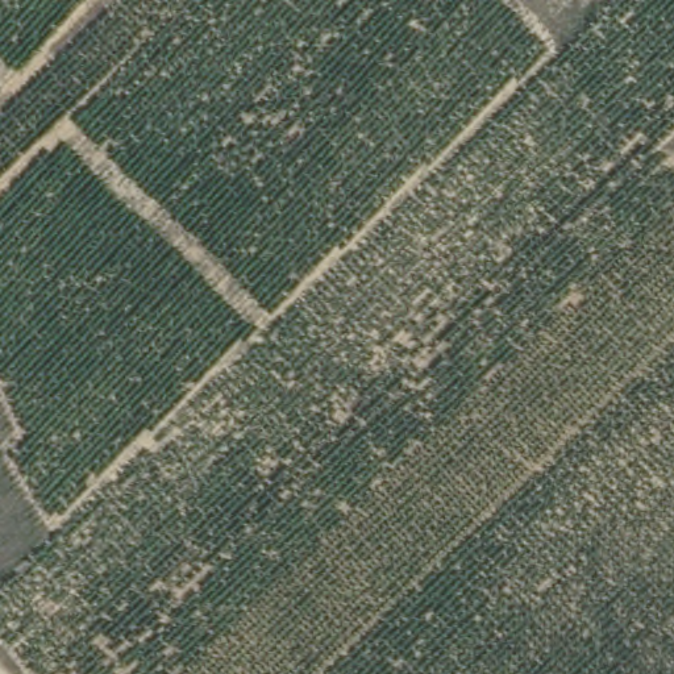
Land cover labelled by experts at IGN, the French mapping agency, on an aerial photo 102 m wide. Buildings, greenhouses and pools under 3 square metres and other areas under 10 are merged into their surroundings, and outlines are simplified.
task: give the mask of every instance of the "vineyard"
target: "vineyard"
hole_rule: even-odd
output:
[[[0,0],[0,674],[674,674],[674,0]]]

